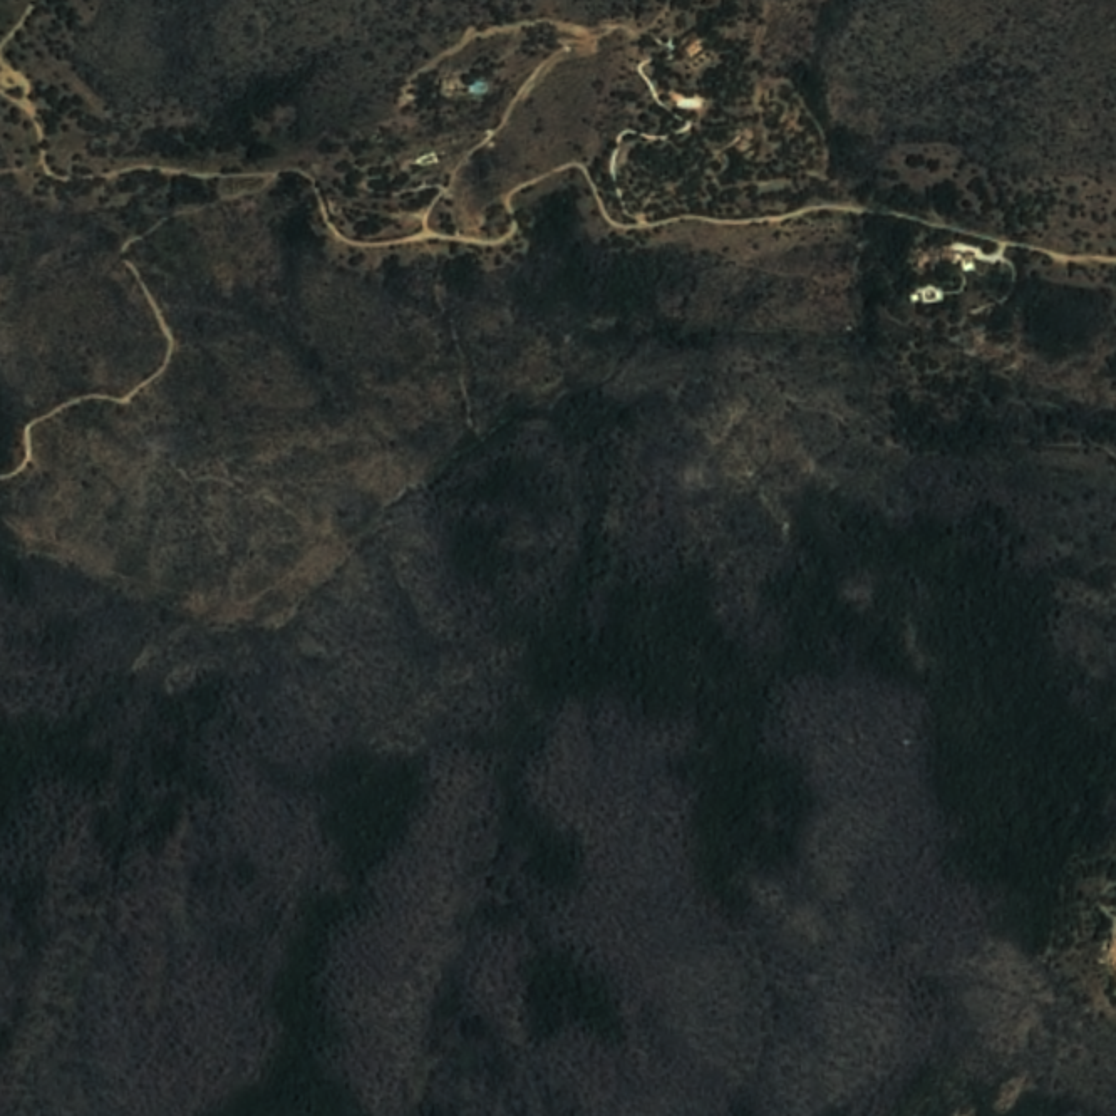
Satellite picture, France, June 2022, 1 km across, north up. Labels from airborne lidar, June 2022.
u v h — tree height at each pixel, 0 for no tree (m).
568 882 7
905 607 6
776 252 0
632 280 8
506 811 6
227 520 0
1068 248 0
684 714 7
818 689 7
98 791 10
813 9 7
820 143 7
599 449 6
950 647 6
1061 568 8
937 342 8
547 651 7
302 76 10
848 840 0
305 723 0
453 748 15
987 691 8
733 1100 13
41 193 9
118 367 0
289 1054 8
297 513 0
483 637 12
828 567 8
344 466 0
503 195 0
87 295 0
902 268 8
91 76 8
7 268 9
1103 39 0
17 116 9
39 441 0
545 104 0
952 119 8
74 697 7
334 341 0
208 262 0
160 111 7
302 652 0
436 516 6
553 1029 9
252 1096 9
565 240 6
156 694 7
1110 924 12
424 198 7
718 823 13
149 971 19
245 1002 7
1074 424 9
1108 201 7
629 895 10
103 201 8
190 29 7
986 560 9
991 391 9
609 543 14
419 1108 6
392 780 7
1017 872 10
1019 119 9
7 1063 7
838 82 0
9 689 7
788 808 9
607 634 11
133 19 0
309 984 14
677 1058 8
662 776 7
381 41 9
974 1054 7
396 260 9
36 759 7
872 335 10
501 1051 10
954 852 7
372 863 10
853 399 10
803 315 0
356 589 0
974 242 9
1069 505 11
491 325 0
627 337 7
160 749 6
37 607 9
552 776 15
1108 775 8
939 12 0
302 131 12
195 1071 12
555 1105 13
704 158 6
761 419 0
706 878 9
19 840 14
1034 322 6
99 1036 16
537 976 9
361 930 15
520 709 7
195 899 11
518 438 12
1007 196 8
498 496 9
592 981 10
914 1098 6
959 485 9
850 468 7
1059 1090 9
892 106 8
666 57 8
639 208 7
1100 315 7
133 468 0
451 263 10
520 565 6
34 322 0
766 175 6
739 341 6
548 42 10
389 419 0
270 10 6
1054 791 12
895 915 13
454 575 7
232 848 6
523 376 0
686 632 7
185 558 0
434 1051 13
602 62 0
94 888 20
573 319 6
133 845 14
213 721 13
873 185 12
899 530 7
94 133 8
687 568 12
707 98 7
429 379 0
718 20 10
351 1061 11
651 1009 6
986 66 10
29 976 6
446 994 7
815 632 8
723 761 6
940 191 13
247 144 14
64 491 0
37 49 14
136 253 9
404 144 8
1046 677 6
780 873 6
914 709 13
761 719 7
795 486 0
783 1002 10
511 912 14
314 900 9
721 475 0
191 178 12
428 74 8
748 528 8
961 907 11
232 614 0
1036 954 7
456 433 0
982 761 8
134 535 0
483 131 7
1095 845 9
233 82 8
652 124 8
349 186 8
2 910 9
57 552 0
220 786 7
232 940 7
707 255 7
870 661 9
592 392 7
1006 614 9
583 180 0
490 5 9
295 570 0
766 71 9
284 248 7
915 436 7
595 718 6
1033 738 6
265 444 0
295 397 0
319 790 6
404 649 7
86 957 14
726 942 12
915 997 7
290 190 7
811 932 0
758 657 6
